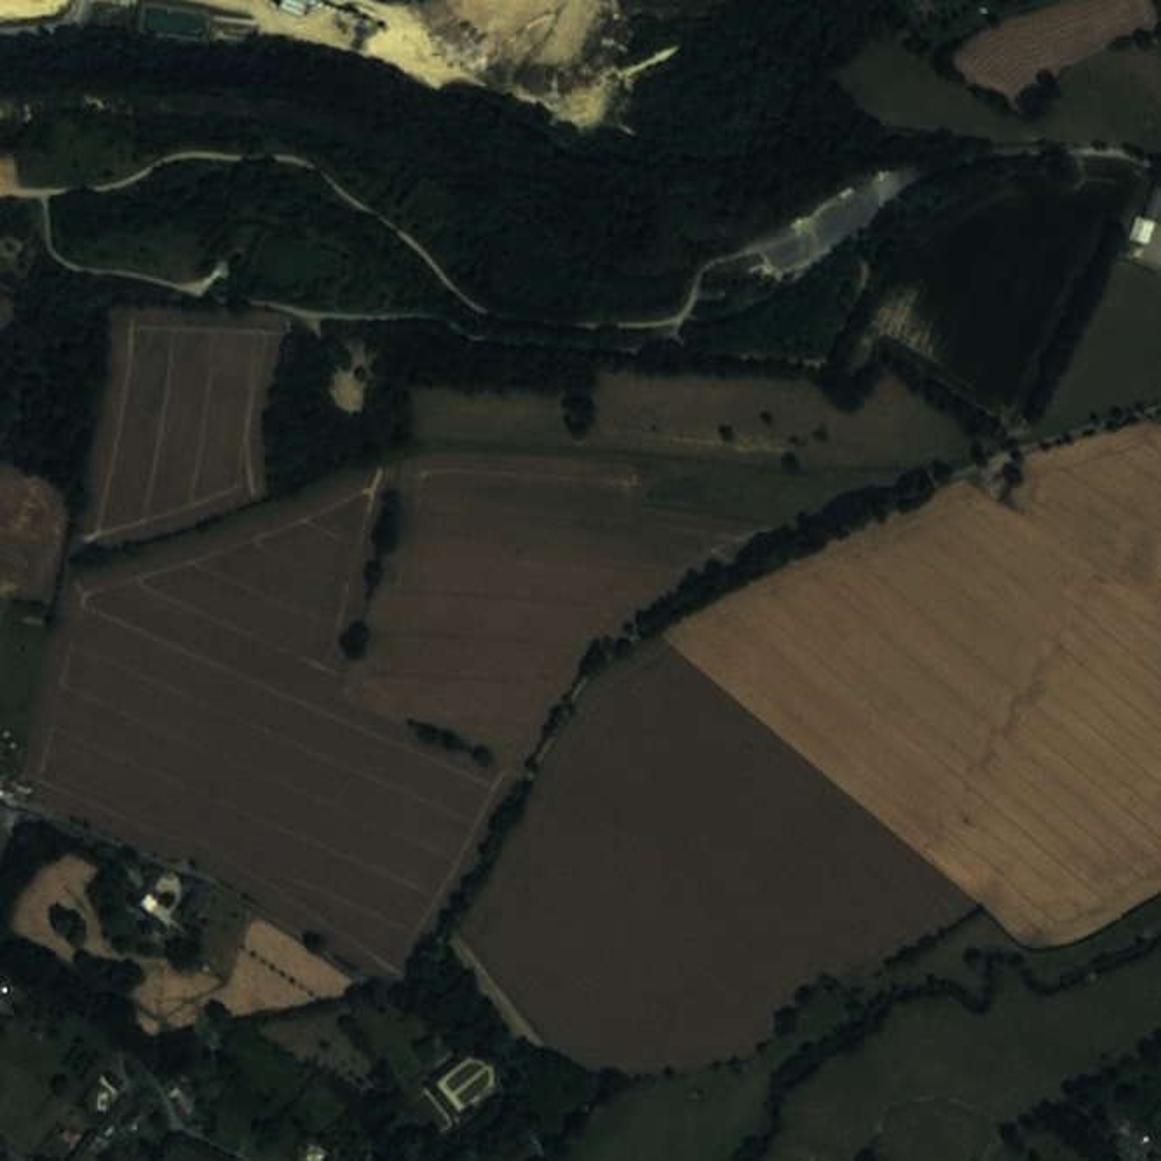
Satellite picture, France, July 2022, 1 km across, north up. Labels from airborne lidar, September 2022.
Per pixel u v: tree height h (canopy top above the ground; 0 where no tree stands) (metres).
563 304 16
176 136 12
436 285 14
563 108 0
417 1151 23
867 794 0
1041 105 21
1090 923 0
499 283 13
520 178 11
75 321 9
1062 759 0
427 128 12
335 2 0
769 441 0
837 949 0
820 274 11
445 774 0
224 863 0
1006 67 0
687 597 16
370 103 12
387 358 7
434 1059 13
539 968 0
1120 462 0
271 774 0
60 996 20
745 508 0
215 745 0
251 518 0
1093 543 0
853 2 15
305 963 0
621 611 0
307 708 0
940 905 0
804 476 0
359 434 13
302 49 12
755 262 0
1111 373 0
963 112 0
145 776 0
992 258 0
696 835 0
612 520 0
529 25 0
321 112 7
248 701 0
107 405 0
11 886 21
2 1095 0
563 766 0
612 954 0
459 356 21
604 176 17
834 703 0
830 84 12
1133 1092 14
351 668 0
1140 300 0
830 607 0
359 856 0
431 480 0
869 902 0
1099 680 0
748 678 0
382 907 0
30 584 0
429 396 0
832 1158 0
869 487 0
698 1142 0
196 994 0
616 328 7
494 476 0
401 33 0
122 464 0
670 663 0
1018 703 0
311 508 0
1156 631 0
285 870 0
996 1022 0
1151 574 0
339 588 0
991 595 0
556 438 0
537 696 0
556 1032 0
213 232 7
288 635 0
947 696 0
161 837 0
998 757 0
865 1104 0
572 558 0
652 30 9
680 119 13
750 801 0
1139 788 0
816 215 0
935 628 0
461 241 10
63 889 0
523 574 0
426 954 19
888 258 18
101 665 0
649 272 6
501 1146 24
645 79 7
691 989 0
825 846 0
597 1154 0
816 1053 14
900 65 0
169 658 0
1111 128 0
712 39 15
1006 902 0
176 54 10
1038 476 0
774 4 12
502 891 0
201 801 0
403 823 0
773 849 0
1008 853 0
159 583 0
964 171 19
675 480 0
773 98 20
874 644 0
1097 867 0
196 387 0
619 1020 0
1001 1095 0
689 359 12
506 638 0
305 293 8
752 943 0
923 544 0
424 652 0
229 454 0
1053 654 0
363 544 0
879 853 0
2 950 14
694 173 13
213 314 10
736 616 0
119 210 10
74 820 7
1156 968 0
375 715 0
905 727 0
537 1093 0
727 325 17
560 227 13
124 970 15
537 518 0
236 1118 0
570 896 0
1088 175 0
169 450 0
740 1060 7
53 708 0
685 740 0
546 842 0
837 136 22
